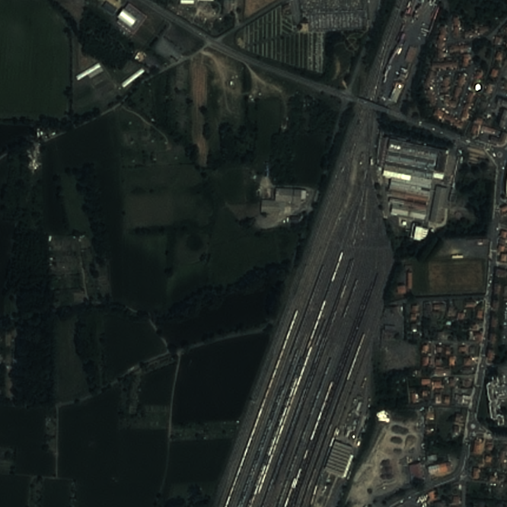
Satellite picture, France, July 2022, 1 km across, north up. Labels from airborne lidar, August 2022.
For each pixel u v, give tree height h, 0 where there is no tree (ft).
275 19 0
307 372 0
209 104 0
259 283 83
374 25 52
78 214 0
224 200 0
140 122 0
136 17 0
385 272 0
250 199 0
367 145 0
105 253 56
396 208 0
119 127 0
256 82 0
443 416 0
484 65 46
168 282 0
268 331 39
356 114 0
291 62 0
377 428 0
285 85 0
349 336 0
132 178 0
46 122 66
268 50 0
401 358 0
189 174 0
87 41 27
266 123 0
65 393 0
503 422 0
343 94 0
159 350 0
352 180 0
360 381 0
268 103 0
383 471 0
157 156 0
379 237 0
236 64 0
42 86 0
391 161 0
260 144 0
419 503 0
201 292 58
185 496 0
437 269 0
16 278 54
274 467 0
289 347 0
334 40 34
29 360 85
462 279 0
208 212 0
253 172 0
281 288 55
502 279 0
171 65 0
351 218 0
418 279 0
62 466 0
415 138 61
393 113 0
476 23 28
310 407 0
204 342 55
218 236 0
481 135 0
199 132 0
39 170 0
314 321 0
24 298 85
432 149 0
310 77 0
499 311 0
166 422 0
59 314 67
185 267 0
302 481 0
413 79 41
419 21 0
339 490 0
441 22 30
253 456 0
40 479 36
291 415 0
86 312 44
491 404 0
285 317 0
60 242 0
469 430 0
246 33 0
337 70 0
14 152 37
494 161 0
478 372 0
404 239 26
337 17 0
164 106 19
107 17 0
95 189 53
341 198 0
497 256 0
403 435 0
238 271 0
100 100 0
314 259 0
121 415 23
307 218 26
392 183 0
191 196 0
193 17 0
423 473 0
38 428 0
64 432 0
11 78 0
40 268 20
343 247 0
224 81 0
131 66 0
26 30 0
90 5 0
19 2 0
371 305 0
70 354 0
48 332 78
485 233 51
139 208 0
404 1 0
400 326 0
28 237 41
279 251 0
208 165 25
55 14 0
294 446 0
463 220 37
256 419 0
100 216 53
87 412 0
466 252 0
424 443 29
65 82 0
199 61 0
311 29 0
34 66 0
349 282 0
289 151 35
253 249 0
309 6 0
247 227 42
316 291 0
